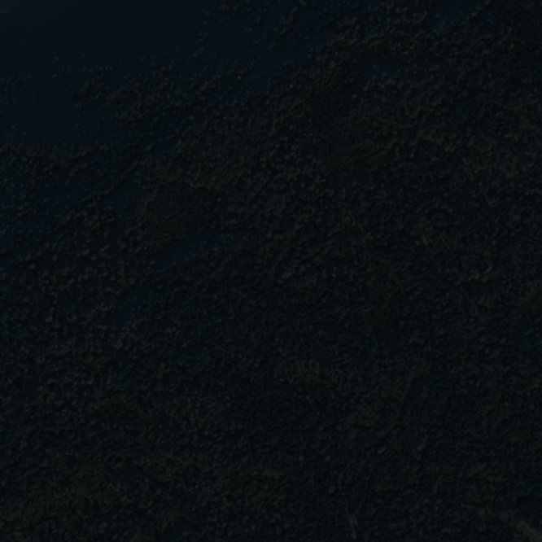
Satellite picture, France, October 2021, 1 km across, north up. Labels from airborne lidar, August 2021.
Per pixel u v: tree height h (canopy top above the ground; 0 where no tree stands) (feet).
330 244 75
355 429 62
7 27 0
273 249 60
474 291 18
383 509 58
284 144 25
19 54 62
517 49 40
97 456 52
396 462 78
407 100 26
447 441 73
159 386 82
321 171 21
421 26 28
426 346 81
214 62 56
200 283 68
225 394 69
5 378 86
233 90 49
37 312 44
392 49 27
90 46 82
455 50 57
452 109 37
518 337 31
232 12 60
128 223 60
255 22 76
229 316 78
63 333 75
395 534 70
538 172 27
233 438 24
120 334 88
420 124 74
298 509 62
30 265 84
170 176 69
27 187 88
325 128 22
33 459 79
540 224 84
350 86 20
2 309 92
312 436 84
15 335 93
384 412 82
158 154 60
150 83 75
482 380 85
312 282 72
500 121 77
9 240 88
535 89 48
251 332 75
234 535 73
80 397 76
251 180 78
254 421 91
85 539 22
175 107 51
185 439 60
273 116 62
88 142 56
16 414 64
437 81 83
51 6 0
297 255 60
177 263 78
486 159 29
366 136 25
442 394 83
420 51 33
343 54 22
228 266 71
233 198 65
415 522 53
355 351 87
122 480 22
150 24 65
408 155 67
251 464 71
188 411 21
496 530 85
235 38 73
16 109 73
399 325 50
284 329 73
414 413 82
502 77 92
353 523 0
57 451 82
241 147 75
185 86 62
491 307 25
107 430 62
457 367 60
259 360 64
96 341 85
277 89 64
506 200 60
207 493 69
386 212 58
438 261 78
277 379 45
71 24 66
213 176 75
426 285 87
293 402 77
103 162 65
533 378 67
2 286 84
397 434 65
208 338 98
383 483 101
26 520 28
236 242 71
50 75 108
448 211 88
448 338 53
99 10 67
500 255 80
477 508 71
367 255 71
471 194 71
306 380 60
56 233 64
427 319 28
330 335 84
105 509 25
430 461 69
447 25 69
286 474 73
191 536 86
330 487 89
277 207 78
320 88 22
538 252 78
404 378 72
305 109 24
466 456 59
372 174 23
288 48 61
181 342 83
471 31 73
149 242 72
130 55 29
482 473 61
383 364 66
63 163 80
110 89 77
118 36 68
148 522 52
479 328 61
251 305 94
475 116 91
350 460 93
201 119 49
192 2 62
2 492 29
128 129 69
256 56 63
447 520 57
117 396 32
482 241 80
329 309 84
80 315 85
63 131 90
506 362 78
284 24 73
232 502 45
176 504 86
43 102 81
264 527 67
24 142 74
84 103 78
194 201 24
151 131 78
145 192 55
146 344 79
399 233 69
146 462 70
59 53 76
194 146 65
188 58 79
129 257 50
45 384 42
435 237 58
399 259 85
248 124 67
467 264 51
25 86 82
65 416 68
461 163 67
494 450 49
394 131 49
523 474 41
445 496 84
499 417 80
